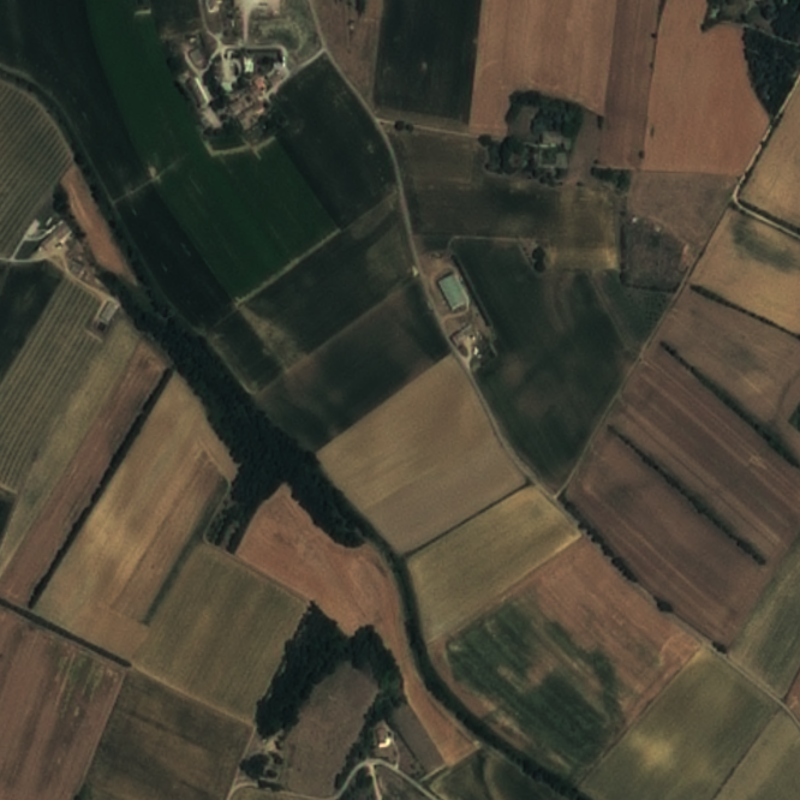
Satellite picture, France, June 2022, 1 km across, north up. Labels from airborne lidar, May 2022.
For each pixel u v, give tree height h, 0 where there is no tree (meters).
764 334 0
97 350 0
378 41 0
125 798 0
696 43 0
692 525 0
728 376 0
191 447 0
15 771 0
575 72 0
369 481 0
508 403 0
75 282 0
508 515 0
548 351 0
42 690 0
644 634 0
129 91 0
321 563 0
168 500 0
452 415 0
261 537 0
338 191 0
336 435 0
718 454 0
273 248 0
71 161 0
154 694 0
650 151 0
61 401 0
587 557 0
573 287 0
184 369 13
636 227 0
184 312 0
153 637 0
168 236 0
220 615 0
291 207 0
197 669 0
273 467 17
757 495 0
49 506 0
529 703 0
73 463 0
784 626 0
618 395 0
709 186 0
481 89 0
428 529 0
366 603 0
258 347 0
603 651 0
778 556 0
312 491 22
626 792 0
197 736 0
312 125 0
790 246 0
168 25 0
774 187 0
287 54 0
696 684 0
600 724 0
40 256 0
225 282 0
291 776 0
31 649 0
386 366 0
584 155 0
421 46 0
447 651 0
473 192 0
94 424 0
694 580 0
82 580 0
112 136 0
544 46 0
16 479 0
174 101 0
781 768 0
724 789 0
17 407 0
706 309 0
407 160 0
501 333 0
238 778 0
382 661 12
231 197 0
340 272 0
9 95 0
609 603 0
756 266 0
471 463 0
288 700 10
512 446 0
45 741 0
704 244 0
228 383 12
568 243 0
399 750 0
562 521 0
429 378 0
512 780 0
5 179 0
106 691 0
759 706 0
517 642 0
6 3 0
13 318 0
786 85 9
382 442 0
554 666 0
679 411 0
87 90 0
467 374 0
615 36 0
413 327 0
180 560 0
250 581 0
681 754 0
